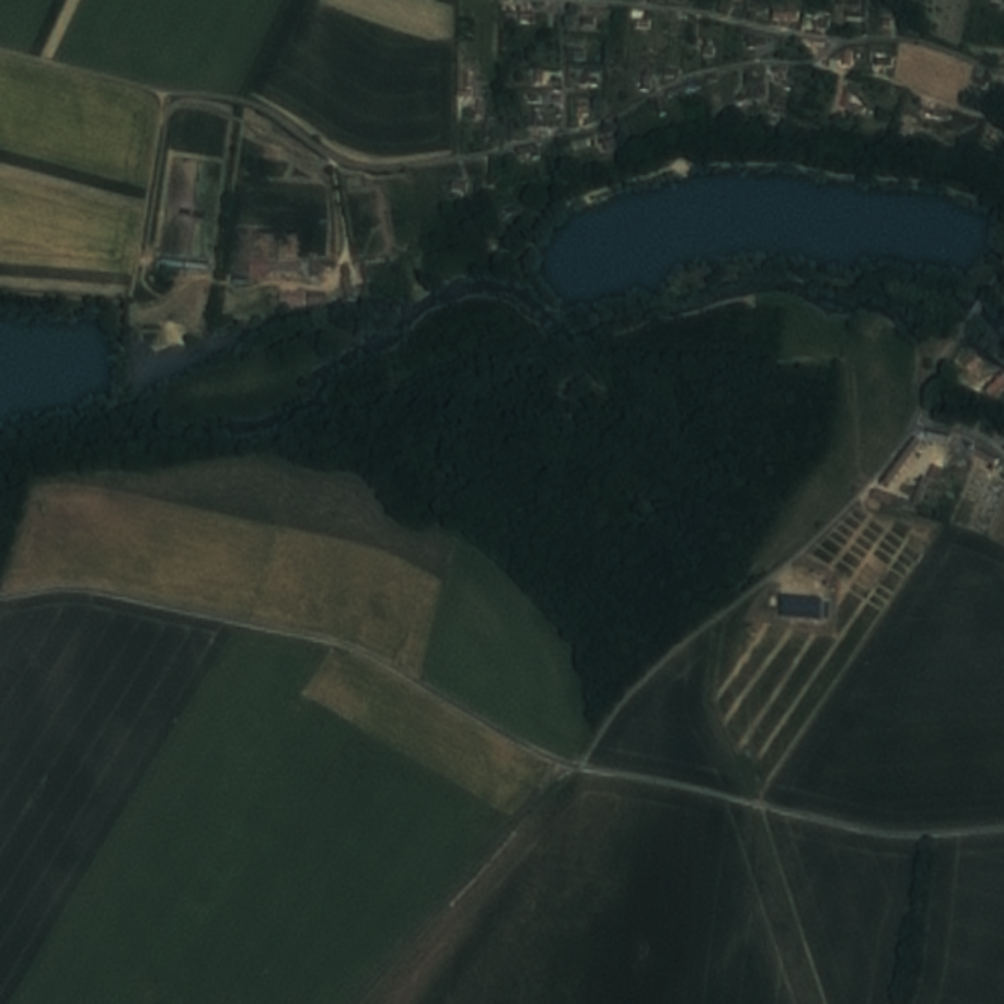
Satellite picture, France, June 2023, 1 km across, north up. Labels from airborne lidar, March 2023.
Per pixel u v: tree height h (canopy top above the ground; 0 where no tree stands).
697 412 9
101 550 0
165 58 0
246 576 0
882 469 0
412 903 0
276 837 0
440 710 0
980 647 0
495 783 0
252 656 0
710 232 0
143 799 0
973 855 0
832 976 0
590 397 20
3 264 0
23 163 0
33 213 0
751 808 0
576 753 0
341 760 0
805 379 14
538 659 0
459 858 0
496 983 0
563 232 0
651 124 0
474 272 14
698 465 10
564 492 22
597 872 0
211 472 0
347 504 0
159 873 0
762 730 0
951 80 0
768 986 0
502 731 0
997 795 0
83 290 0
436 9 0
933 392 20
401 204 0
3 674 0
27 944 0
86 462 13
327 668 0
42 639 0
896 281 20
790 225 0
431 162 0
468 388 22
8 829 0
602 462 16
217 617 0
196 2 0
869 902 0
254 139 0
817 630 0
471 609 0
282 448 21
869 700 0
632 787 0
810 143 20
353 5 0
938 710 0
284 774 0
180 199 0
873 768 0
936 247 0
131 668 0
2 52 0
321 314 16
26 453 30
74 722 0
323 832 0
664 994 0
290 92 0
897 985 12
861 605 0
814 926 0
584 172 25
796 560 0
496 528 17
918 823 0
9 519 19
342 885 0
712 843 0
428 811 0
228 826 0
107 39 0
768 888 0
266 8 0
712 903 0
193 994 0
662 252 0
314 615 0
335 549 0
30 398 0
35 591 0
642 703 0
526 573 20
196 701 0
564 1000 0
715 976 0
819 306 0
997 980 0
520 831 0
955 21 0
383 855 0
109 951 0
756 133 16
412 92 0
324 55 0
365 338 22
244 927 0
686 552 19
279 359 11
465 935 0
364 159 0
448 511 19
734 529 19
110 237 0
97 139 0
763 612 0
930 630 0
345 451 12
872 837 0
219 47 0
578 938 0
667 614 21
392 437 15
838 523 0
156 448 22
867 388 0
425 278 14
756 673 0
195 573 0
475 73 0
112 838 0
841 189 0
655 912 0
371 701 0
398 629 0
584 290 0
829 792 0
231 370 0
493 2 0
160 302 0
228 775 0
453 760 0
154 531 0
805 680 0
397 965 0
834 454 0
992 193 21
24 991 0
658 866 0
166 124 0
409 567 0
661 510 18
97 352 0
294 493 0
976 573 0
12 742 0
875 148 12
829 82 11
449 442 21
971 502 0
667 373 12
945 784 0
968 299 15
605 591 18
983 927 0
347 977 0
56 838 0
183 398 0
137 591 0
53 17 0
